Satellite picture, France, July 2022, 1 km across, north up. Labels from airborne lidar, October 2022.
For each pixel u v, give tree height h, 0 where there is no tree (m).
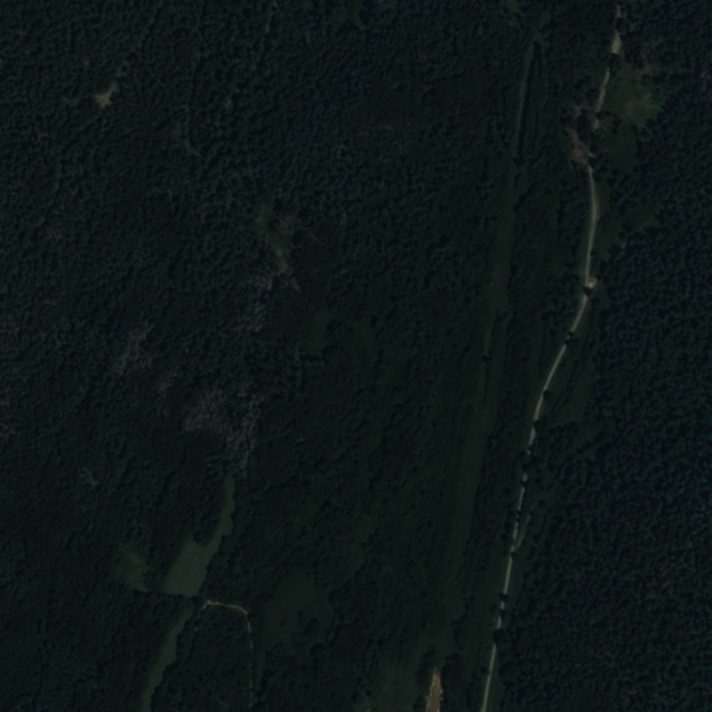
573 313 22
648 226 0
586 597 15
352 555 7
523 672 8
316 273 25
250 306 37
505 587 0
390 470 16
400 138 7
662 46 9
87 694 25
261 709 17
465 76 28
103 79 10
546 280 6
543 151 9
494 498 18
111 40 11
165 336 28
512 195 0
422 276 7
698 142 13
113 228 26
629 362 22
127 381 33
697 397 25
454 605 0
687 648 18
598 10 13
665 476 17
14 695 9
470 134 26
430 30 27
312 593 0
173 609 7
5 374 23
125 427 25
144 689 16
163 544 19
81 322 31
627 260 33
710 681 19
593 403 7
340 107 28
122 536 18
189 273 32
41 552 26
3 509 27
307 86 28
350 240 8
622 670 9
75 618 23
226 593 15
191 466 24
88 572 25
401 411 18
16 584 30
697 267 17
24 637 12
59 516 25
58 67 19
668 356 26
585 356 7
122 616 19
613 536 25
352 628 19
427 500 8
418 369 15
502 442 12
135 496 25
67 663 26
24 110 26
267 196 30
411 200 24
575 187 7
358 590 17
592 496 26
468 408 6
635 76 0
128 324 28
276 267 33
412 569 20
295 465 14
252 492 8
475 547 7
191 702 8
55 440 28
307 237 30
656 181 23
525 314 9
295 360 28
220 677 16
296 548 18
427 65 27
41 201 16
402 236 22
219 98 28
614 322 19
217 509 21
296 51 32
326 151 28
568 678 26
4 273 21
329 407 17
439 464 7
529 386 9
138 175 21
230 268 28
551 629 21
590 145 27
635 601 18
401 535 8
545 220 17
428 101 22
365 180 7
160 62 20
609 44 21
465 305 8
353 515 21
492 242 7
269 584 13
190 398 31
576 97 9
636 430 25
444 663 0
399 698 0
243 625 15
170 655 0
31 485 28
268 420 21
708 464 25
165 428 20
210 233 38
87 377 28
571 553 24
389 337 13
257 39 26
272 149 24
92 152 19
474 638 0
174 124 29
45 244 20
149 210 31
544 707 24
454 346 10
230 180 29
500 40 29
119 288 17
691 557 23
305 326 20
